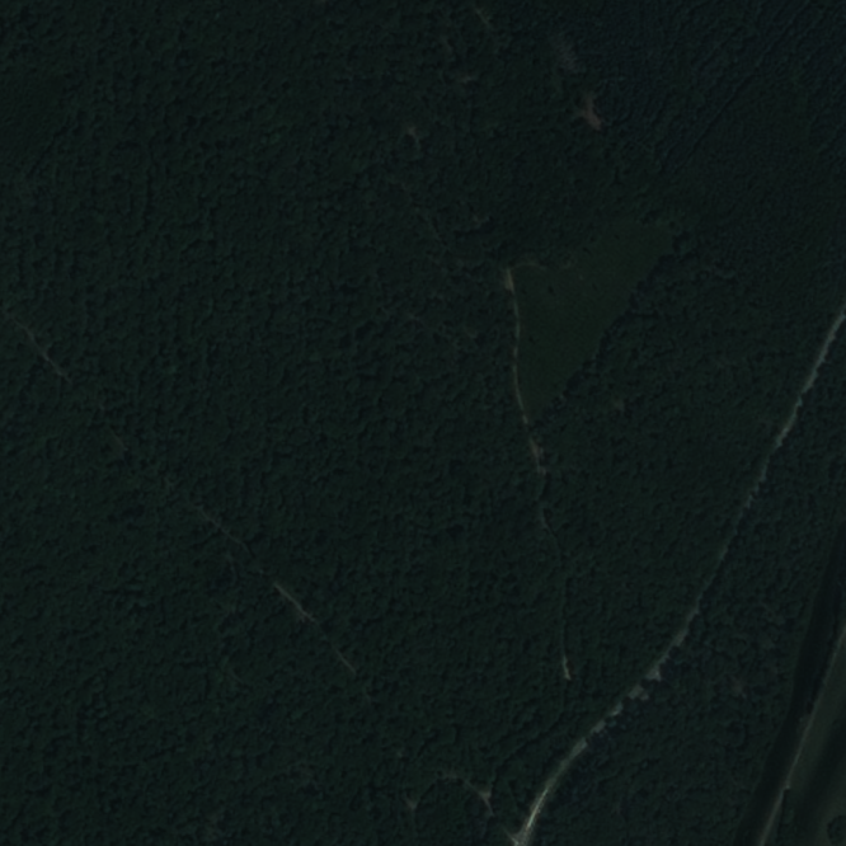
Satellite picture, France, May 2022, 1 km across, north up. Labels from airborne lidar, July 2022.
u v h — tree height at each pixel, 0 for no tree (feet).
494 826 52
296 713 76
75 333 63
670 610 61
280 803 66
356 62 84
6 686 70
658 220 61
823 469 54
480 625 70
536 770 75
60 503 61
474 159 50
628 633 72
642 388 64
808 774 0
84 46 64
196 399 63
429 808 47
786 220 63
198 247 72
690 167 47
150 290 60
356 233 60
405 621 64
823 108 44
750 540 58
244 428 62
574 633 51
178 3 72
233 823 69
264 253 61
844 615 52
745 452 61
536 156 68
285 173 80
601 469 65
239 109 70
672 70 33
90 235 76
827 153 55
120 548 72
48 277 59
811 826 0
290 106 75
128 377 77
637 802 73
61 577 65
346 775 61
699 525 91
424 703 38
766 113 41
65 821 85
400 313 72
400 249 72
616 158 58
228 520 68
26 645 61
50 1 64
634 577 62
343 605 65
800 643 22
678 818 66
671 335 76
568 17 45
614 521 66
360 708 65
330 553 62
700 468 60
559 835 53
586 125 61
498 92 69
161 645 68
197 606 66
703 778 68
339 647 43
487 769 41
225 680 70
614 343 70
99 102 66
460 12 71
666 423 56
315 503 59
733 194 53
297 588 46
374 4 84
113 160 67
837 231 50
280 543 64
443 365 62
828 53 45
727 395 54
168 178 66
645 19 57
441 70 67
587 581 60
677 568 67
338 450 59
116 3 70
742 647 73
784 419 54
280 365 66
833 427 63
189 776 63
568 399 54
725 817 56
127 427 72
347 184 49
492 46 73
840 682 0
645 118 35
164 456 71
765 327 57
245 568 72
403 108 69
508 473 61
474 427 63
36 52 71
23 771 64
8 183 52
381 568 71
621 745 76
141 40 73
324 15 69
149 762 66
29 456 72
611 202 62
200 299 59
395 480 89
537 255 82
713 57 64
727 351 59
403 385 78
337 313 77
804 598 38
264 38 76
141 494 57
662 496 70
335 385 68
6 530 71
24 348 64
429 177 74
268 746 62
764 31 49
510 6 52
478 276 75
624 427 55
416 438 84
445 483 73
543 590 60
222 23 62
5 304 64
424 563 80
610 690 70
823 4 37
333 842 60
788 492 60
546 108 63
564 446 66
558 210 76
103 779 60
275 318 66
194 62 82
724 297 76
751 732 68
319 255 79
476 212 62
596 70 33
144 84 73
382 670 49
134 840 71
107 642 61
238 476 62
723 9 46
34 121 44
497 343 63
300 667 70
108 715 30
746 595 70
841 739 0
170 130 68
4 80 39
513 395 58
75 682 66
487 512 65
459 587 70
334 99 75
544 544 63
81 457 65
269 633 70
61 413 73
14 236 70
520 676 61
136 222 72
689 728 60
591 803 69
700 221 47
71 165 73
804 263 31
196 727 66
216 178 69
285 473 72
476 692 62
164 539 66
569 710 58
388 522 73
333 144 88
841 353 51
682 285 77
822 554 52
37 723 62
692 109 50
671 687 66
